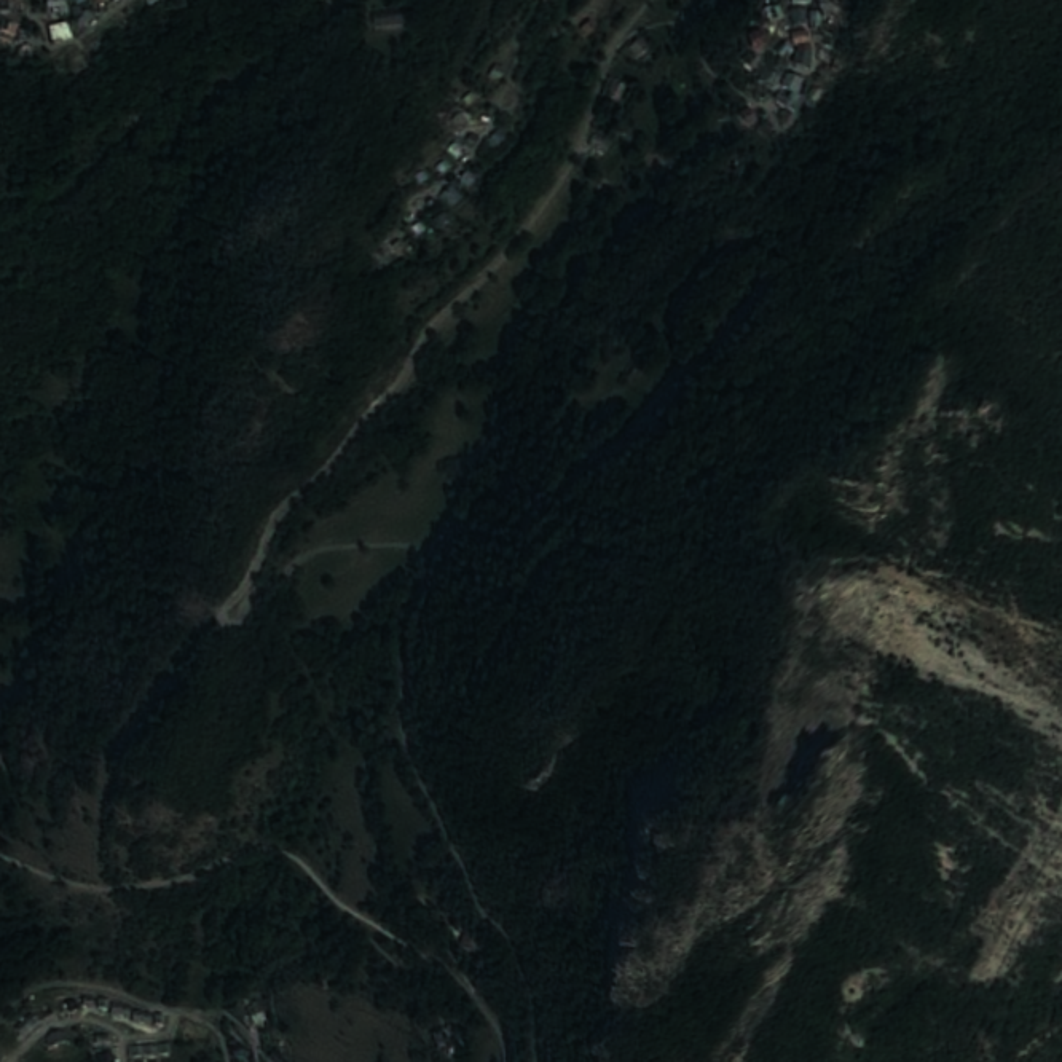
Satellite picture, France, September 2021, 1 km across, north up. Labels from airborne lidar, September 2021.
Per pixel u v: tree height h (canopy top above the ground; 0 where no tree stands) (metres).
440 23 16
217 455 9
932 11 19
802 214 29
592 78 18
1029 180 17
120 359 22
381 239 13
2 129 13
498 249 7
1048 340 8
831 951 11
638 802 18
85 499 23
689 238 17
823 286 24
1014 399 15
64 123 18
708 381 21
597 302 17
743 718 15
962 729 9
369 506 0
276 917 15
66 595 31
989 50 12
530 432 32
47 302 15
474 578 32
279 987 11
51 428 17
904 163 26
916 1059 11
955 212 23
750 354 16
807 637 7
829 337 25
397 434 18
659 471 25
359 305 22
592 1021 17
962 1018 10
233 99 20
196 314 28
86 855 0
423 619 16
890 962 8
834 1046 7
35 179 18
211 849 6
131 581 24
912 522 9
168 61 19
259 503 15
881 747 18
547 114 21
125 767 12
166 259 27
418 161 8
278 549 11
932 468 9
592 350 20
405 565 0
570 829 17
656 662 18
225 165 22
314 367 15
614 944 24
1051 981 6
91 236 26
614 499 22
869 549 19
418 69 16
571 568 27
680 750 16
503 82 6
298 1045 0
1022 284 12
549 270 23
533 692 17
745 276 15
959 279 13
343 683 22
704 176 14
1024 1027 8
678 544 18
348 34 16
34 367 18
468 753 20
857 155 20
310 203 13
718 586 16
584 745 21
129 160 24
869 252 15
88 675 13
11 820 20
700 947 12
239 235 8
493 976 13
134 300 0
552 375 31
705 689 21
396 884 20
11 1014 16
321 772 7
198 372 23
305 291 10
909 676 12
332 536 0
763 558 11
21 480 21
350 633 0
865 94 14
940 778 7
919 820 12
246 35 16
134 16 6
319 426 18
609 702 24
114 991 0
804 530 26
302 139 25
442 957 11
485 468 27
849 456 12
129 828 7
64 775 17
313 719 17
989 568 9
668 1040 14
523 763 15
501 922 12
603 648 18
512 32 11
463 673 21
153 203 23
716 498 25
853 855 6
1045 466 8
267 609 18
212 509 8
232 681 13
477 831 22
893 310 28
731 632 17
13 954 22
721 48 9
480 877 17
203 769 11
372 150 15
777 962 7
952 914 11
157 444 25
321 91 21
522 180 19
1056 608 6
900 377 18
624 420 17
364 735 15
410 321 10
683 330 22
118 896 10
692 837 8
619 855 20
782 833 15
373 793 17
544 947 15
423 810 13
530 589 16
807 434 25
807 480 9
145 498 27
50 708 13
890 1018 11
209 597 9
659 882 10
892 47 10
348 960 22
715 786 16
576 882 9
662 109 19
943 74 8
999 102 20
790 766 7
